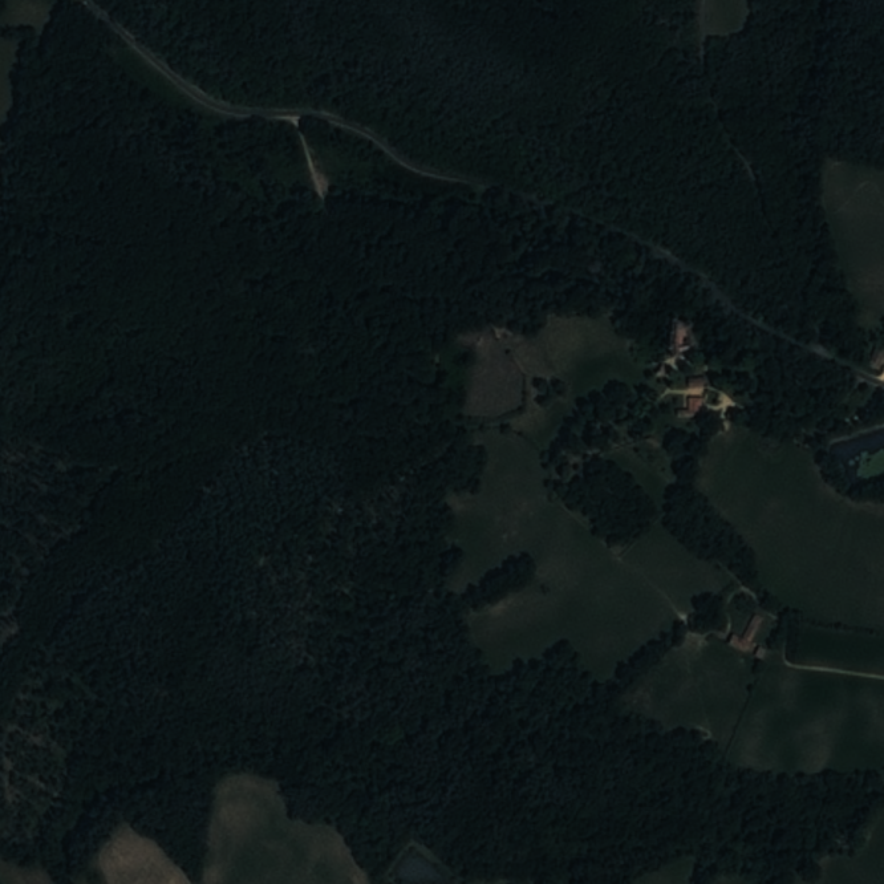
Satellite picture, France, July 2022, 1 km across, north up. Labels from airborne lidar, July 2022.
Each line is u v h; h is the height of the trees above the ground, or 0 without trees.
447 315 28
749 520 0
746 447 0
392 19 23
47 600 15
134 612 26
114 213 26
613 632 0
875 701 0
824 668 0
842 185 0
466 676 7
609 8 22
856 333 15
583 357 0
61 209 20
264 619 22
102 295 23
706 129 17
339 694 20
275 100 14
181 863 12
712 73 14
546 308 27
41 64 17
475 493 15
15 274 22
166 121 24
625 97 17
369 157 9
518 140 17
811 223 21
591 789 20
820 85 24
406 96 20
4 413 27
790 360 29
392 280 25
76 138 26
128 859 0
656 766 19
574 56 23
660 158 23
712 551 20
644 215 22
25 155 22
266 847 0
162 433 23
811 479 0
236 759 28
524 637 0
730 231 21
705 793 13
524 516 0
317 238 27
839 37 28
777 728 0
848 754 0
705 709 0
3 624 22
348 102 18
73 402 13
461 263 21
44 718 20
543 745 18
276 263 25
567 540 0
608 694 17
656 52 17
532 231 24
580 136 19
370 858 25
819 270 28
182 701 24
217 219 31
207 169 19
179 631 20
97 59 19
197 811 22
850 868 0
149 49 14
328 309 22
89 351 21
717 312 25
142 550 16
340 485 25
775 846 20
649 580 0
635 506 15
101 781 16
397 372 26
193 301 23
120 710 27
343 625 25
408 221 30
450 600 14
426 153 15
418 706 22
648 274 20
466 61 22
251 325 21
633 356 6
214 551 18
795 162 22
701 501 19
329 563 24
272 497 24
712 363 31
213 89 14
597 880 18
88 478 28
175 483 14
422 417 22
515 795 17
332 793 24
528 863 18
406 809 29
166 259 22
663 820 20
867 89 21
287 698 20
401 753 25
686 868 0
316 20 25
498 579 20
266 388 24
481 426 8
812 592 0
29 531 24
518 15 29
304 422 19
